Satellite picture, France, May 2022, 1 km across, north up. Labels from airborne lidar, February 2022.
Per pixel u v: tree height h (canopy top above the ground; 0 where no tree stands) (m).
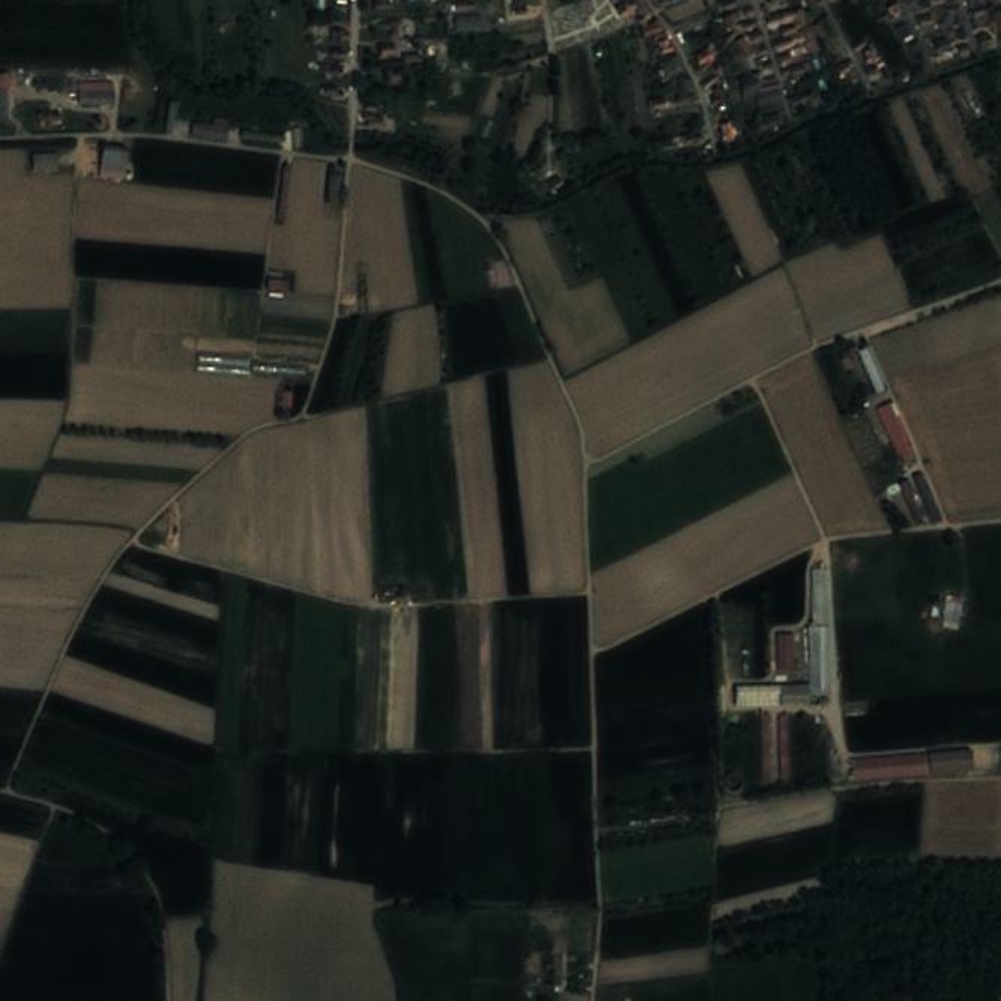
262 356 0
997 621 0
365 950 0
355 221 0
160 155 0
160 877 0
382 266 0
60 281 0
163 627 0
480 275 0
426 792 0
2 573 0
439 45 0
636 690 0
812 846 0
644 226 0
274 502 0
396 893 0
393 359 0
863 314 0
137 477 0
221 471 0
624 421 0
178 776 0
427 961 0
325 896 0
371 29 8
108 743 0
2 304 0
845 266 0
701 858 0
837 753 0
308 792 0
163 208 0
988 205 0
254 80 16
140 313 0
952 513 0
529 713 0
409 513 0
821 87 0
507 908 0
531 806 0
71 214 0
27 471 0
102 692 0
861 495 0
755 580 0
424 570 0
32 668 0
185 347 0
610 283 0
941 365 0
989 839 0
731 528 0
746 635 0
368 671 0
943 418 0
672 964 0
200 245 0
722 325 0
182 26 0
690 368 0
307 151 0
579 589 0
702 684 0
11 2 0
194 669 0
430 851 0
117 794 0
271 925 0
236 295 0
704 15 0
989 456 0
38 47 0
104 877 0
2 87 0
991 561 0
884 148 0
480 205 11
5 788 0
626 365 0
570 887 0
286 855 0
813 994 0
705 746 0
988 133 8
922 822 0
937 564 0
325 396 0
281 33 0
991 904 21
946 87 12
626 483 0
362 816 0
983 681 0
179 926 0
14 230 0
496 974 0
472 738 0
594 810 0
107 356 0
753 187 0
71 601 0
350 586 0
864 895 22
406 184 0
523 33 0
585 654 0
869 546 0
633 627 0
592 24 0
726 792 0
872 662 0
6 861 0
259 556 0
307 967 0
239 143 0
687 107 0
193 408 0
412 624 0
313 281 0
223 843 0
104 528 0
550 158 0
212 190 0
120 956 0
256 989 0
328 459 0
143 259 0
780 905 10
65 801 0
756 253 0
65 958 0
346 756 0
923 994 24
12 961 0
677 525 0
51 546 0
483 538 0
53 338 0
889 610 0
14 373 0
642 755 0
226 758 0
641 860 0
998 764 0
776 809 0
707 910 0
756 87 0
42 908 0
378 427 0
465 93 0
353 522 0
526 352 0
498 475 0
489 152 0
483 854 0
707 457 0
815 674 0
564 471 0
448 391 0
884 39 0
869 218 20
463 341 0
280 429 0
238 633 0
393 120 0
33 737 0
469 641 0
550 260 0
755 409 0
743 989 0
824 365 0
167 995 0
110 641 0
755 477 0
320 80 0
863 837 0
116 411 0
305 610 0
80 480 0
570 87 0
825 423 0
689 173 0
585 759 0
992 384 0
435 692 0
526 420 0
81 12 0
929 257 0
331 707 0
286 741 0
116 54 0
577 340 0
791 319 0
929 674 0
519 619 0
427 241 0
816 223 0
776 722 0
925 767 0
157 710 0
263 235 0
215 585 0
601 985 0
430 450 0
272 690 0
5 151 0
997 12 0
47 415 0
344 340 0
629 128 0
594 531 0
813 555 0
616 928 0
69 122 0
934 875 8
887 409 0
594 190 12
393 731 0
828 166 19
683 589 0
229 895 0
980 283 0
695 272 0
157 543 0
